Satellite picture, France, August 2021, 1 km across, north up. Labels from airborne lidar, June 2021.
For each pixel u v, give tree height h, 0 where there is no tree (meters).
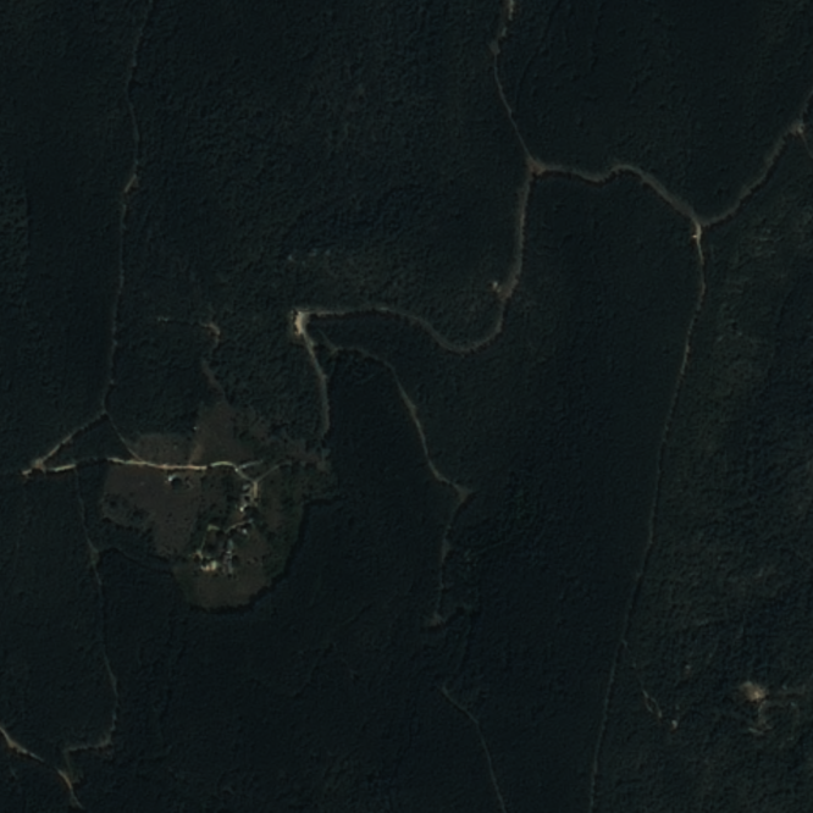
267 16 23
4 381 9
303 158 12
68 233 15
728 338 10
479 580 21
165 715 15
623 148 10
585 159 12
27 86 13
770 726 6
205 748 18
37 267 13
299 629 18
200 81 12
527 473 16
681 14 13
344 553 17
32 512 7
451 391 10
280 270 10
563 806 13
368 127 7
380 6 6
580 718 13
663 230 10
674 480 7
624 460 15
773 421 12
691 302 12
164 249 8
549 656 15
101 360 18
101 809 18
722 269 10
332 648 15
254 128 13
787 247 12
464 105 9
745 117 11
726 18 13
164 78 8
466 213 11
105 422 14
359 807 11
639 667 8
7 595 15
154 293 9
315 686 15
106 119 7
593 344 15
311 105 11
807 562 8
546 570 17
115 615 19
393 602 15
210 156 7
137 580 18
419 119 7
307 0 21
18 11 7
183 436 12
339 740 18
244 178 7
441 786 18
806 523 8
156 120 11
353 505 13
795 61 13
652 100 9
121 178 13
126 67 13
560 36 11
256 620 18
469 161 8
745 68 9
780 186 15
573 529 15
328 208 8
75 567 13
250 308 8
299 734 16
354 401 20
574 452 14
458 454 13
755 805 7
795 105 16
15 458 11
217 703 20
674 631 9
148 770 16
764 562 8
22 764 16
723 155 11
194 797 16
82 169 12
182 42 22
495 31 11
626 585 15
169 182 10
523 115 15
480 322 6
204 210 8
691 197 8
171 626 16
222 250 7
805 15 16
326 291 8
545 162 13
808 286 11
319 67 13
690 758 6
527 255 14
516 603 16
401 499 21
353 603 18
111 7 18
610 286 14
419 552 21
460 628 22
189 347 10
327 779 15
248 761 19
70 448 9
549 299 11
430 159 8
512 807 14
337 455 17
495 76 10
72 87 11
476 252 12
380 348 14
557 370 17
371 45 6
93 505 14
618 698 11
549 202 17
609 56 13
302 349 9
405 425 17
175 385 13
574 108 12
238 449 0
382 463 19
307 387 6
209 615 19
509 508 19
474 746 17
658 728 8
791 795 9
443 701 16
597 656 14
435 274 7
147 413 11
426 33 9
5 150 11
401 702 22
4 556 9
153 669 12
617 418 12
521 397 14
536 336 11
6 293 14
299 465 10
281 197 8
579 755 11
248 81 13
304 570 19
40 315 12
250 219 7
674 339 11
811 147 14
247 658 21
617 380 14
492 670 19
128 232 11
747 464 14
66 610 13
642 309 11
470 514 17
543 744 13
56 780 18
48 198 15
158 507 0
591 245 14
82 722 14
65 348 13
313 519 22
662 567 7
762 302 14
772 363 10
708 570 10
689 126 8
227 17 20
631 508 13
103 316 18
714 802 10
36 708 15
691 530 7
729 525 8
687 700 8
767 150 11
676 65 10
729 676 9
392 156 7
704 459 12
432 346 7
